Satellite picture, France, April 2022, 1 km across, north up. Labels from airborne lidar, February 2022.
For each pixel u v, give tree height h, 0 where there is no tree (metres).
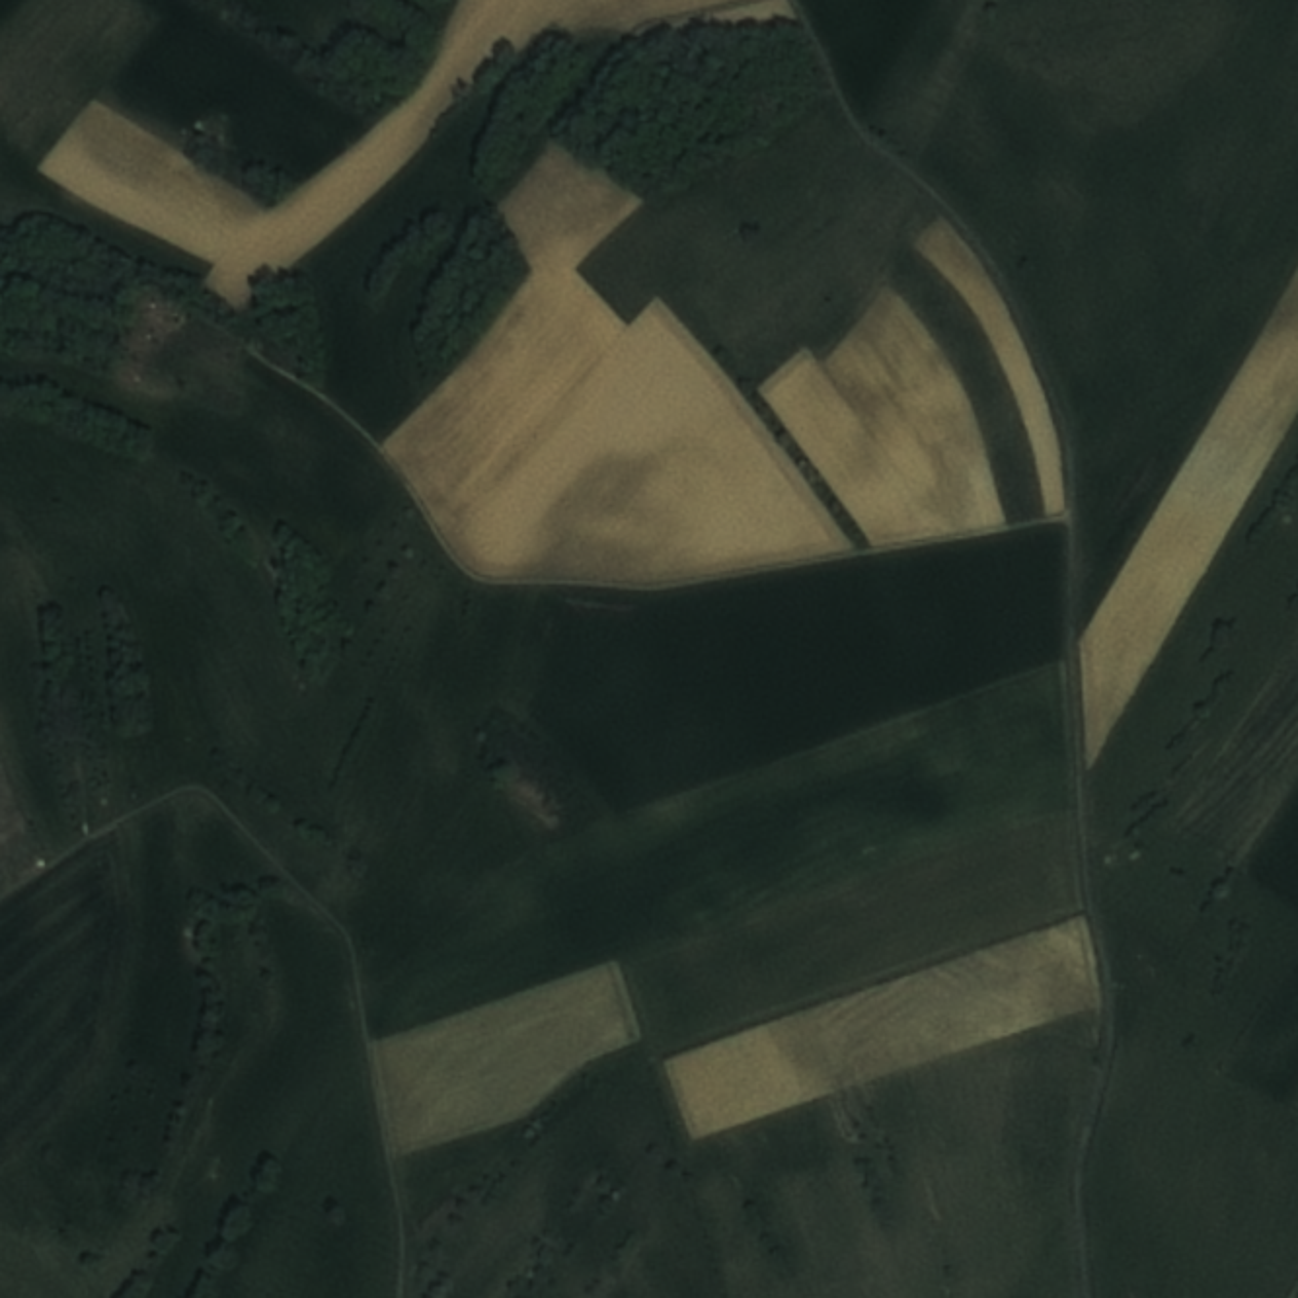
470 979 0
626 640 0
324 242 0
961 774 0
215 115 0
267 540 0
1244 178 0
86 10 0
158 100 0
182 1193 0
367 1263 0
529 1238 0
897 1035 0
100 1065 0
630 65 14
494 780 11
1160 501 0
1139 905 0
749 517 0
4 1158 0
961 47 0
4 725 0
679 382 0
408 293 0
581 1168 0
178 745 0
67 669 15
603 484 0
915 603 0
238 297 0
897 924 0
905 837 0
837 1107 0
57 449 0
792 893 0
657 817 0
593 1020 0
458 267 16
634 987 0
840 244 0
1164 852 0
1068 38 0
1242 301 0
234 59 0
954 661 0
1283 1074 0
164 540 0
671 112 22
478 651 0
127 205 0
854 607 0
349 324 0
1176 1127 0
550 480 0
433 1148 0
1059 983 0
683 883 0
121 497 0
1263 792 0
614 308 0
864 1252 0
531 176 0
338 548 0
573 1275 0
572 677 0
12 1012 0
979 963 0
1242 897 0
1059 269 0
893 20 0
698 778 0
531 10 0
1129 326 0
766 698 0
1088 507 0
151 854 0
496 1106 0
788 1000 0
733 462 0
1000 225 0
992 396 0
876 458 0
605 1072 0
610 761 0
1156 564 0
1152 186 0
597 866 0
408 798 0
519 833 0
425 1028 0
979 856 0
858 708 0
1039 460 0
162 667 0
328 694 0
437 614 0
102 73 0
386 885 0
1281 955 0
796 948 0
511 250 13
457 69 0
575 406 0
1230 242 0
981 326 0
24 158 0
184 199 0
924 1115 0
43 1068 0
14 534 0
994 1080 0
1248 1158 0
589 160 18
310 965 0
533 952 0
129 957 0
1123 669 0
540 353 0
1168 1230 0
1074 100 0
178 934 0
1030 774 0
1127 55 0
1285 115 0
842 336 0
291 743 0
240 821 0
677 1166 8
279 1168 15
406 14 17
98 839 0
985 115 0
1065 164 0
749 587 0
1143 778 0
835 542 0
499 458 0
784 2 0
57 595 0
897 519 0
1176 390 0
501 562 0
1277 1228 0
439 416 0
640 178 14
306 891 0
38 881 0
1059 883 0
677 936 0
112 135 0
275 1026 0
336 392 0
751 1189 0
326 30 0
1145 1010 0
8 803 0
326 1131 0
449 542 0
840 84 0
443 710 0
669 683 0
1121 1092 0
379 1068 0
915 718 0
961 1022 0
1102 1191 0
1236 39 0
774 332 0
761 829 0
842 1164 0
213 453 0
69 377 0
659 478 0
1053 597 0
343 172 0
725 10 0
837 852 0
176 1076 0
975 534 0
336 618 10
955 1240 0
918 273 0
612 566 0
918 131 0
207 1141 0
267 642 0
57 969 0
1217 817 0
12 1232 0
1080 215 0
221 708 0
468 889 0
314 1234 0
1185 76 0
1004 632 0
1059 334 0
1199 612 0
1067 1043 0
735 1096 0
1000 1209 0
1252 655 0
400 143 0
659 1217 0
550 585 0
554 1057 0
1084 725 0
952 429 0
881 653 0
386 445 0
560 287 0
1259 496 0
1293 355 0
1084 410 0
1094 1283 0
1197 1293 0
